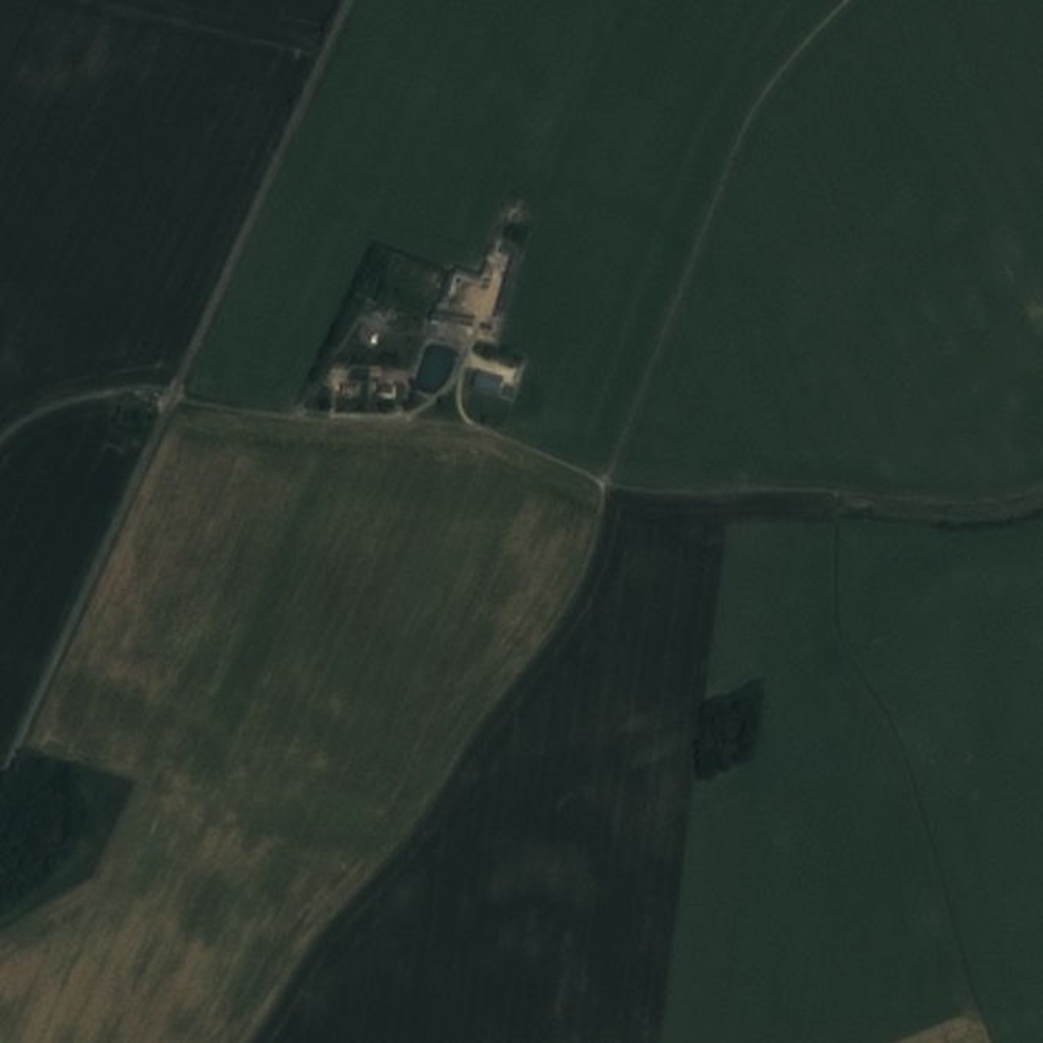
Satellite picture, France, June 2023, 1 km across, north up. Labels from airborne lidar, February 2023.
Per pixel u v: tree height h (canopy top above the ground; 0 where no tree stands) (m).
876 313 0
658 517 0
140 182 0
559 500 0
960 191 0
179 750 0
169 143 0
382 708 0
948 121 0
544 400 0
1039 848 0
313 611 0
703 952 0
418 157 0
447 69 0
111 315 0
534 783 0
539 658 0
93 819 0
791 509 0
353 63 0
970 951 0
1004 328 0
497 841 0
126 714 0
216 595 0
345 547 0
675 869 0
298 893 0
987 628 0
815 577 0
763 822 0
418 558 0
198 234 0
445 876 0
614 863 0
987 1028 0
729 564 0
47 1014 0
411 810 0
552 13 0
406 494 0
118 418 9
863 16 0
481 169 0
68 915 0
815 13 0
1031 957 0
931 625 0
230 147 0
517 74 0
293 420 0
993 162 0
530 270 0
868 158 0
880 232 0
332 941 0
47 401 0
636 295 0
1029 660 0
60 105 0
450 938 0
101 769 0
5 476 0
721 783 0
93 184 0
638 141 0
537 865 0
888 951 0
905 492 0
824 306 0
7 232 0
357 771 0
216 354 0
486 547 0
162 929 0
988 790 0
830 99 0
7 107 0
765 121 0
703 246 0
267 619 0
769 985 0
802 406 0
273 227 0
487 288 0
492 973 0
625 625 0
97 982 0
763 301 0
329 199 0
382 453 0
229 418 0
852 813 0
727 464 0
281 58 0
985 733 0
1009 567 0
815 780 0
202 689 0
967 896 0
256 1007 0
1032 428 0
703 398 0
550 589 0
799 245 0
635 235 0
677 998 0
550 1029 0
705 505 0
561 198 0
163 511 0
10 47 0
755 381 0
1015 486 0
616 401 0
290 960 0
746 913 0
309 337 0
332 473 0
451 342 0
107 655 0
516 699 0
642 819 0
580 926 0
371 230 0
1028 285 0
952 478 0
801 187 0
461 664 0
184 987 0
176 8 0
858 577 0
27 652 0
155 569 0
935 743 0
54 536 0
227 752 0
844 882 0
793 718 0
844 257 0
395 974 0
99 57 0
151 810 0
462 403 0
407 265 0
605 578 0
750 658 0
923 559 0
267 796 0
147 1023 0
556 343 0
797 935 0
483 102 0
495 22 0
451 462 0
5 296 0
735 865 0
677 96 0
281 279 0
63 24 0
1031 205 0
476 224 0
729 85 0
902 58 0
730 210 0
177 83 0
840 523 0
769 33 0
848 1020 0
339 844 0
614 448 0
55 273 0
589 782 0
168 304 0
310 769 0
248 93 0
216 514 0
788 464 0
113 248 0
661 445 0
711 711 12
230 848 0
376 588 0
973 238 0
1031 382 0
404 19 0
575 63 0
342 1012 0
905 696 0
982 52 0
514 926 0
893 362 0
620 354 0
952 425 0
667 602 0
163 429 0
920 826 0
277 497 0
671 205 0
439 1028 0
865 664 0
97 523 0
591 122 0
